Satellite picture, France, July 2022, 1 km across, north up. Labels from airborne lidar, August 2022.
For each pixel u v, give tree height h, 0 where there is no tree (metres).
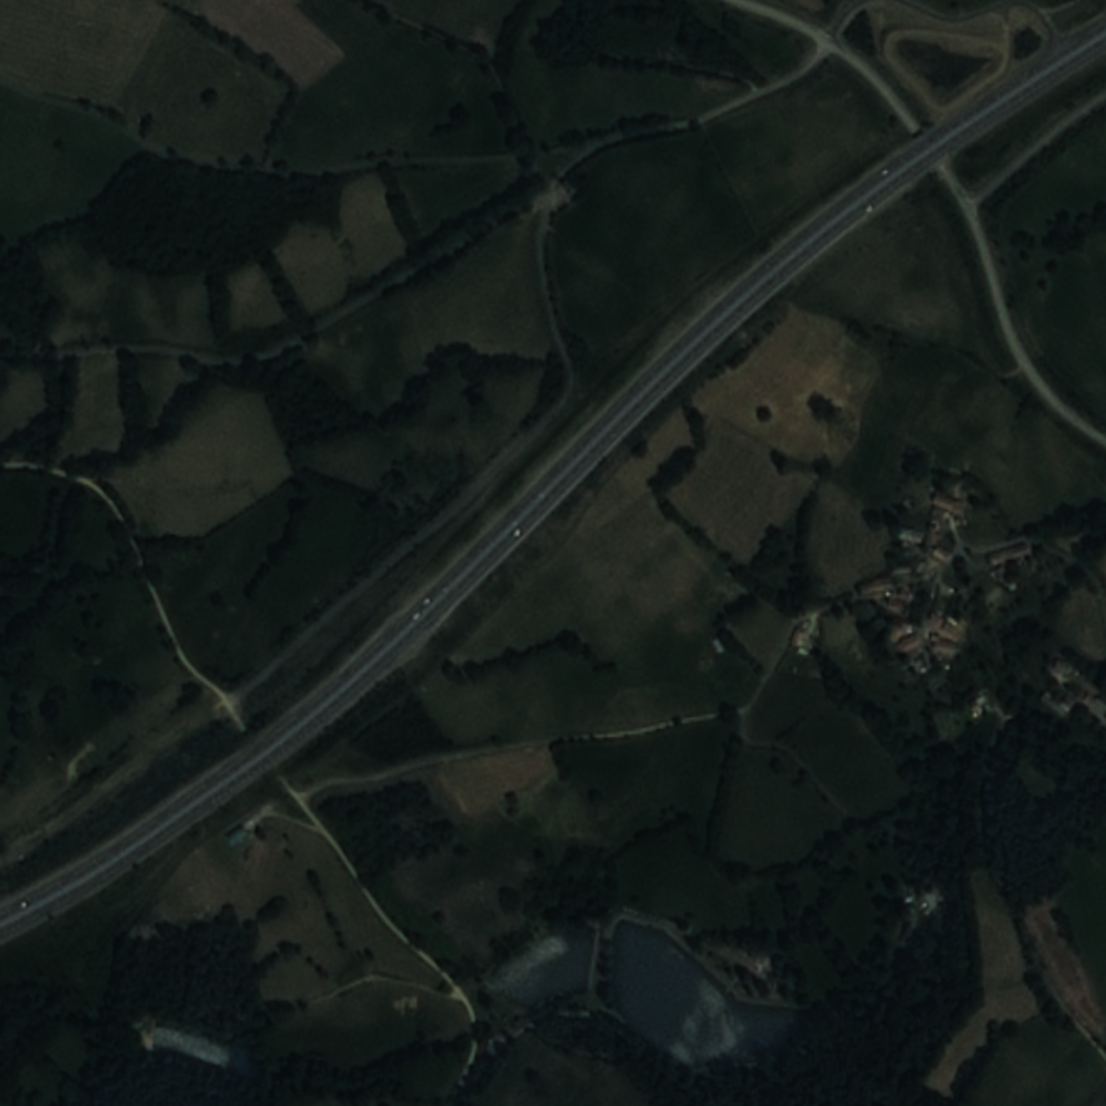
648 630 0
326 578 0
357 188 0
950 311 0
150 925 0
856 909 0
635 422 0
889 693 0
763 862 0
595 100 0
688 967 0
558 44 20
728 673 0
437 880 0
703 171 0
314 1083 18
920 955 20
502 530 0
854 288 0
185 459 0
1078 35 0
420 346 0
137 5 0
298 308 18
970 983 21
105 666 0
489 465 0
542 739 0
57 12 0
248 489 0
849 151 0
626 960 0
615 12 8
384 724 9
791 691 0
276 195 14
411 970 0
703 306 0
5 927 0
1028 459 0
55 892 0
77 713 0
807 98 0
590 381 0
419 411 19
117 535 21
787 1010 0
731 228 0
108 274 0
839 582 0
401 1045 0
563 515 0
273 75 11
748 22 0
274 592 0
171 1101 19
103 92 0
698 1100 26
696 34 14
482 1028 11
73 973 0
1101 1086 0
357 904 0
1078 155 0
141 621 0
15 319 19
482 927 0
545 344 0
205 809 0
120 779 0
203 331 0
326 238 0
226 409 0
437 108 0
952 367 0
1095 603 0
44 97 0
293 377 17
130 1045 20
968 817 18
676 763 0
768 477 0
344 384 0
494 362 16
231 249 15
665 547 0
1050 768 14
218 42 12
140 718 0
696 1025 0
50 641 0
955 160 0
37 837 0
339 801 9
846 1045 36
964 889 9
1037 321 0
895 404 0
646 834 9
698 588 0
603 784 0
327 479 7
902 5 0
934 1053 21
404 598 0
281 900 7
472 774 0
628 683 0
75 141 0
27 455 6
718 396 0
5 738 0
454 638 0
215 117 0
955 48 0
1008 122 0
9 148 0
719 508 0
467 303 0
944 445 0
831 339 0
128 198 14
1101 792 17
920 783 17
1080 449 0
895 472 0
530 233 0
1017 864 26
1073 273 0
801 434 0
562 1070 0
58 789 0
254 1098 24
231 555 0
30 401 0
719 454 0
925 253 0
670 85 0
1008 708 14
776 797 0
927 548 12
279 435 8
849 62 0
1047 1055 0
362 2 7
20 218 0
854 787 0
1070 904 0
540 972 0
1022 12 0
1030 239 10
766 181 0
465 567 0
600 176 0
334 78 0
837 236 0
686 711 0
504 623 0
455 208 0
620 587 0
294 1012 18
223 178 11
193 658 0
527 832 0
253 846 0
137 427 18
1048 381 0
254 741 0
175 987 18
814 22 0
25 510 0
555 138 0
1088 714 15
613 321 0
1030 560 11
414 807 6
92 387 0
